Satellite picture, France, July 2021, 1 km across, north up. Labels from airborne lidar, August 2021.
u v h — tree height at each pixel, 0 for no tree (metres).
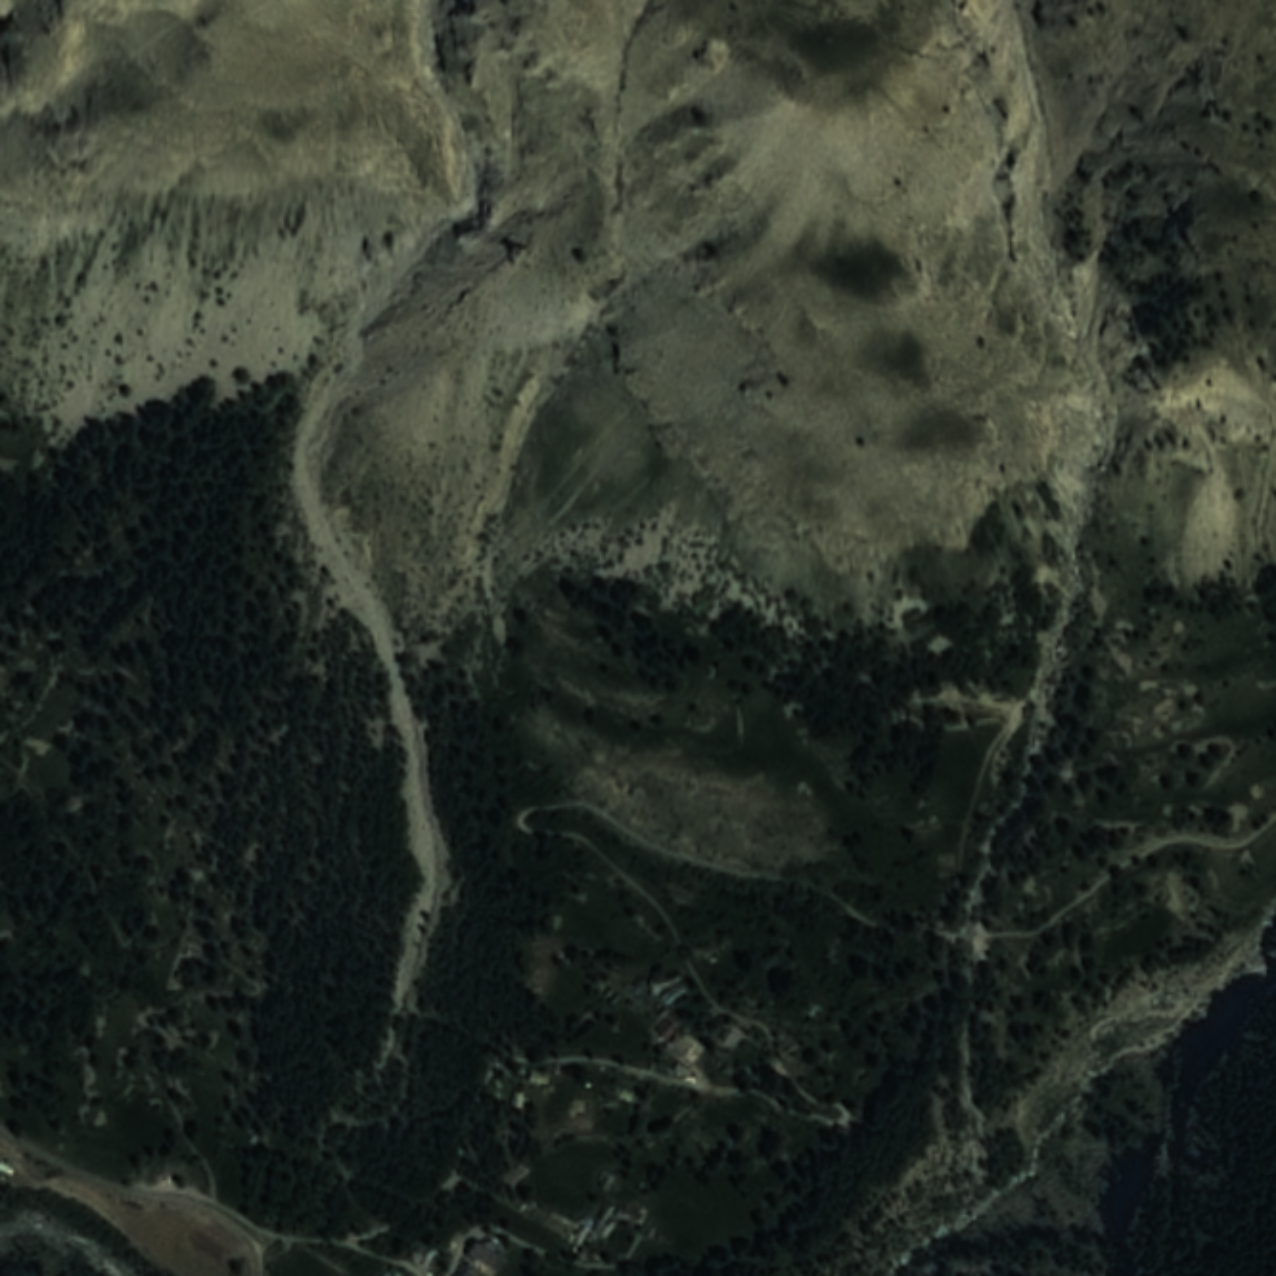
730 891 6
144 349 0
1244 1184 17
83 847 9
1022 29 0
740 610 12
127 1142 0
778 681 14
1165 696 0
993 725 0
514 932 25
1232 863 0
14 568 22
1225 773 0
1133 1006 0
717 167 0
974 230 0
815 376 0
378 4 0
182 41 0
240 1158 11
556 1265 13
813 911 17
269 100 0
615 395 0
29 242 0
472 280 0
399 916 12
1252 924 16
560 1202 0
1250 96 0
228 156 0
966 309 0
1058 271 0
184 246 0
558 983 0
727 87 0
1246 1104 11
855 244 0
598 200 0
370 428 0
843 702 22
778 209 0
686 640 0
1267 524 0
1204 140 0
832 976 6
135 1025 0
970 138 0
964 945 6
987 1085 14
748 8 0
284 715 20
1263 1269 19
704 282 0
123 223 0
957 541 14
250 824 14
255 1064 11
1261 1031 8
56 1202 8
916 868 6
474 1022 15
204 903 14
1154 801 0
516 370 0
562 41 0
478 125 0
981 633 8
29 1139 0
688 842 0
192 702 22
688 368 0
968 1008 6
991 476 0
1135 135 0
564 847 8
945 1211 6
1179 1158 15
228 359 0
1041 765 18
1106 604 0
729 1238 0
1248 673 0
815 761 0
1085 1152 0
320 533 0
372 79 0
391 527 0
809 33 0
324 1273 0
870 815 0
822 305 0
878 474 0
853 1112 13
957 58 0
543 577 0
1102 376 0
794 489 0
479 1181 20
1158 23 0
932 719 20
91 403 0
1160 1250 15
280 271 0
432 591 0
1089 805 0
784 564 0
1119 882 18
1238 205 0
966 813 0
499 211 0
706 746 0
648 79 0
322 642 7
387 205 0
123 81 0
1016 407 0
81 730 15
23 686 11
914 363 0
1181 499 0
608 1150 0
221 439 21
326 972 20
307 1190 13
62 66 0
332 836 13
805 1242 22
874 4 0
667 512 0
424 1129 12
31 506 18
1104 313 0
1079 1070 0
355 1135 12
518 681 0
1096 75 0
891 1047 19
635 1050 0
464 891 12
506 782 26
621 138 0
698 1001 10
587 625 0
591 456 0
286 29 0
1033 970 18
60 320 7
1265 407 0
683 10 0
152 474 21
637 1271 12
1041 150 0
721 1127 0
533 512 0
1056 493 0
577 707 0
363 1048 16
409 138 0
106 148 0
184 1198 0
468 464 0
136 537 21
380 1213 13
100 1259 0
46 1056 8
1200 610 7
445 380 0
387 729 6
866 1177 20
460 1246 0
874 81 0
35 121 0
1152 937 0
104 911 14
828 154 0
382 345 0
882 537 0
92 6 0
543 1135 0
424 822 0
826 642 12
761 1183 0
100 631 18
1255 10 0
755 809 0
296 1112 23
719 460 0
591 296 0
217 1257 0
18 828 13
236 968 0
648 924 0
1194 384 0
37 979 13
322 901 16
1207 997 0
